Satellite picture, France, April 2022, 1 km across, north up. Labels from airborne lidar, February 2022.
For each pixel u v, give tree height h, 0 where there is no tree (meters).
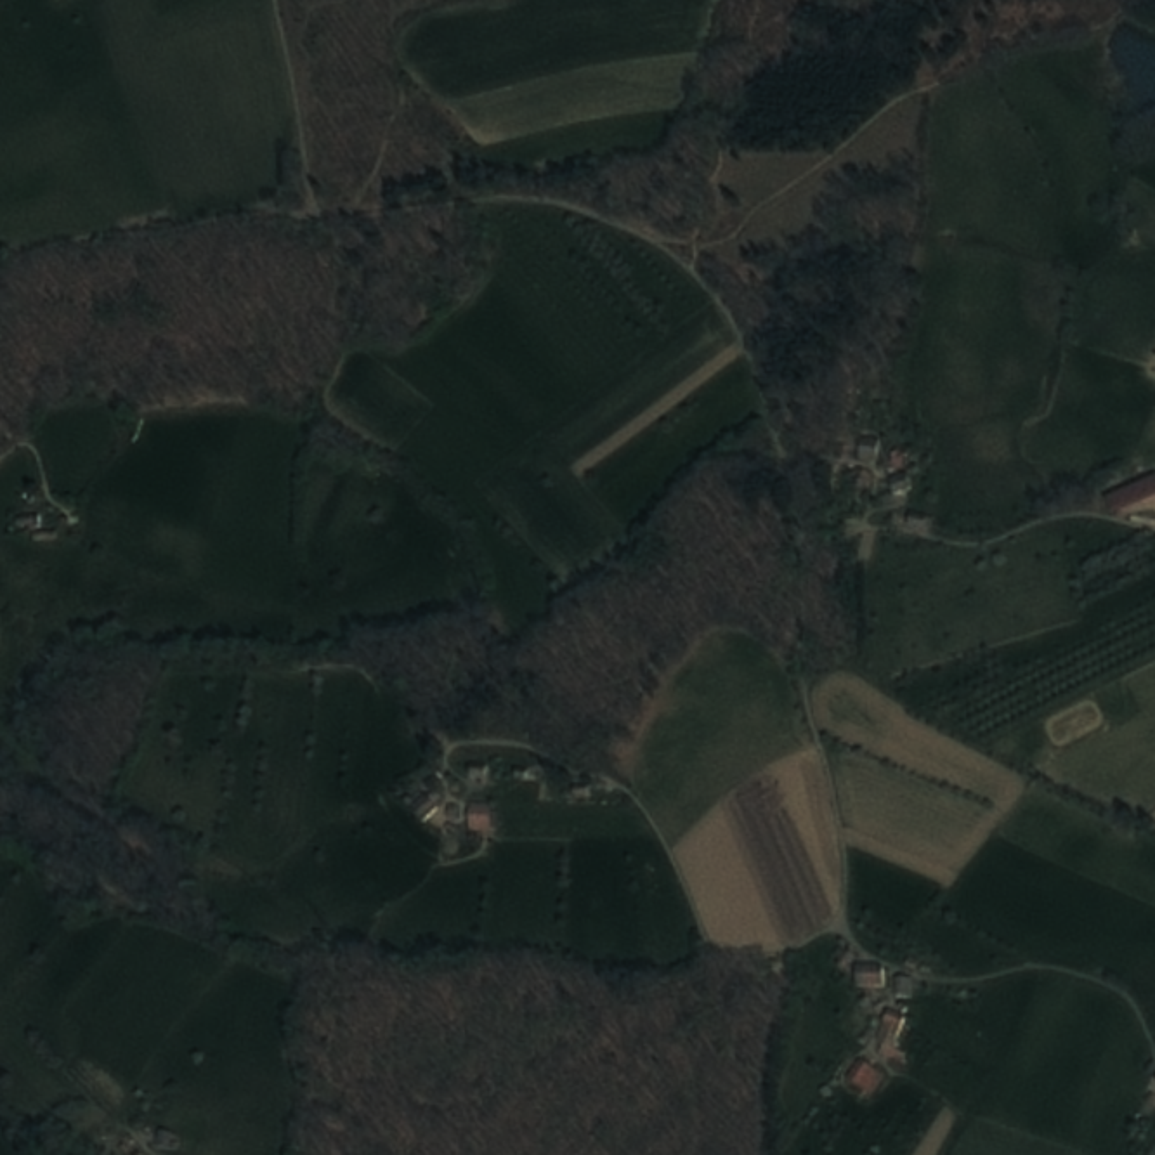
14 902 0
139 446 0
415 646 30
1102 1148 0
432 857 0
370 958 27
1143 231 0
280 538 0
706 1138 19
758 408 0
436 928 0
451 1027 17
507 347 0
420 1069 14
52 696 26
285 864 0
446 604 0
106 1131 0
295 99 0
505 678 24
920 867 0
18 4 0
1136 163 16
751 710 0
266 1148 0
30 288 24
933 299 0
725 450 14
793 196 0
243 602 0
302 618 0
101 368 28
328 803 0
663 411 0
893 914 0
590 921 0
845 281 31
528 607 0
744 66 25
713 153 29
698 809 0
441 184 25
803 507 24
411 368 0
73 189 0
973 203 0
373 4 0
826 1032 0
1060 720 0
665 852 0
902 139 0
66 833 31
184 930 22
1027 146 0
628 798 7
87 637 20
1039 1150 0
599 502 0
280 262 23
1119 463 8
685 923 0
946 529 5
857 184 25
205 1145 0
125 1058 0
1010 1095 0
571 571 0
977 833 0
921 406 0
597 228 9
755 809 0
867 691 0
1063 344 8
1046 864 0
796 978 12
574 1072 17
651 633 23
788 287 26
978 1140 0
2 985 0
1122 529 0
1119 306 0
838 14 21
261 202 0
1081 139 0
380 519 13
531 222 0
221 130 0
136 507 0
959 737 0
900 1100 0
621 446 0
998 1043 0
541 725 20
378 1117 24
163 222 8
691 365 0
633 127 0
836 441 17
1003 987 0
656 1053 17
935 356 0
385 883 0
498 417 0
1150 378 0
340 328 21
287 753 0
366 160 0
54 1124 13
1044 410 0
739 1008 24
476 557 11
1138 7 30
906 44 25
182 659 21
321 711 0
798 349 28
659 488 0
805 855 0
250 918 0
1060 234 0
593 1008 20
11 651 0
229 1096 0
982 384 0
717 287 18
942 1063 0
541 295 0
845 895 0
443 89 0
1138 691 0
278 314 19
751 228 0
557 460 0
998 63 23
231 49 0
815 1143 0
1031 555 0
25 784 24
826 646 22
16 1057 0
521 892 0
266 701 0
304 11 0
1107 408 0
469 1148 21
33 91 0
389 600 0
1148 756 0
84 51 0
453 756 0
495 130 0
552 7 0
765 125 20
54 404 30
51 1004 0
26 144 0
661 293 0
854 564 20
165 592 0
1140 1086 0
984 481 0
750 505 25
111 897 30
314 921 0
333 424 20
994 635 0
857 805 0
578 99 0
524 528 0
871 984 0
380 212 0
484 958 21
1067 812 0
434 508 7
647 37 0
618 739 20
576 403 0
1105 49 0
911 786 0
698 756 0
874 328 30
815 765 0
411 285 18
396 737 0
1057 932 0
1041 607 0
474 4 0
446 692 21
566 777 21
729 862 0
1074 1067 0
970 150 0
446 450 0
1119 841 0
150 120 0
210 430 0
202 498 0
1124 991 15
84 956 0
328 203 0
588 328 0
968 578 0
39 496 9
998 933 0
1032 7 6
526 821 0
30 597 0
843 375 28
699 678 0
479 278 18
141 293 18
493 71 0
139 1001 0
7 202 0
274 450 0
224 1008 0
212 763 0
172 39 0
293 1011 13
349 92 0
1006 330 0
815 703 0
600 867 0
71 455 0
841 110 21
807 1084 0
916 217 17
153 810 0
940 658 0
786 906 0
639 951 0
